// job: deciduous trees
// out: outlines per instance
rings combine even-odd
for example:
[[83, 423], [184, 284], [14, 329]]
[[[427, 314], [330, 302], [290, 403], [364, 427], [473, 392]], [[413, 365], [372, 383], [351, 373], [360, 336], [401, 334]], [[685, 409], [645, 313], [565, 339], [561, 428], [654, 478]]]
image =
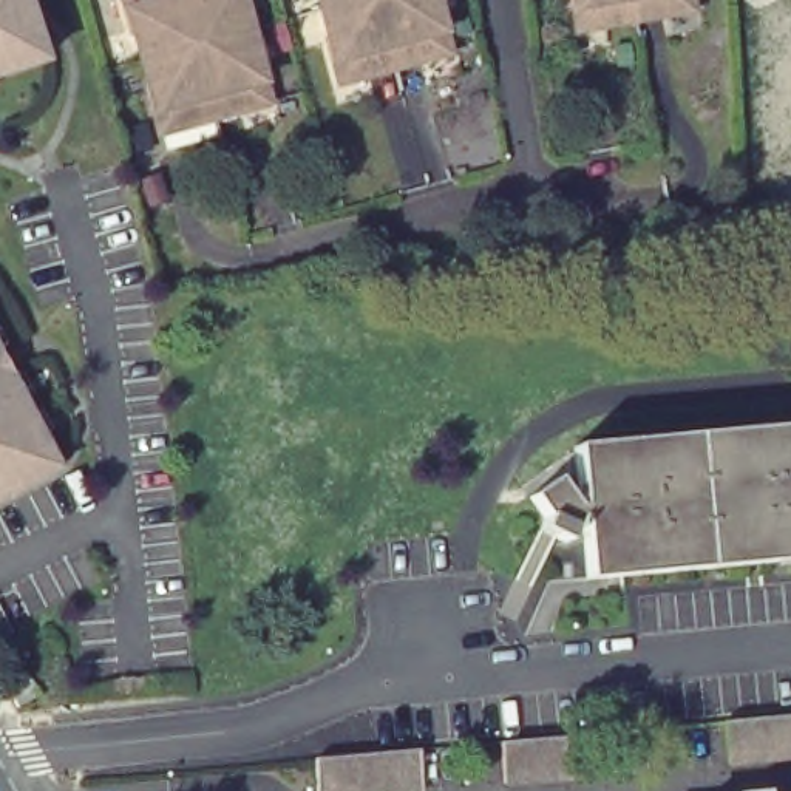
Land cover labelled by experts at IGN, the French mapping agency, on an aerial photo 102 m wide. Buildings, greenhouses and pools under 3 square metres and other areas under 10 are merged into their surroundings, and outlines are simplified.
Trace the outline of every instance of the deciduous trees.
[[145, 284], [142, 294], [148, 300], [167, 300], [182, 281], [182, 266], [173, 263], [158, 272]]
[[173, 170], [179, 195], [182, 204], [195, 210], [198, 219], [207, 226], [210, 219], [247, 222], [244, 182], [250, 179], [250, 167], [244, 154], [219, 148], [219, 142], [210, 136], [195, 145], [176, 148], [167, 158], [167, 164]]
[[575, 785], [609, 782], [633, 785], [637, 791], [655, 791], [667, 782], [667, 769], [695, 766], [695, 745], [686, 745], [670, 720], [658, 717], [658, 708], [643, 708], [624, 689], [596, 692], [559, 711], [562, 735], [562, 776]]
[[281, 213], [290, 213], [297, 219], [312, 207], [331, 204], [337, 179], [343, 173], [340, 151], [321, 136], [318, 124], [306, 121], [294, 127], [284, 145], [269, 145], [266, 195]]
[[704, 578], [745, 581], [751, 569], [637, 578], [640, 587], [692, 584]]
[[488, 760], [476, 742], [460, 742], [442, 754], [439, 772], [445, 772], [457, 785], [476, 785], [488, 776]]
[[80, 621], [65, 618], [62, 606], [56, 603], [37, 615], [37, 621], [40, 661], [46, 664], [62, 655], [68, 670], [83, 670]]
[[618, 596], [606, 596], [599, 590], [593, 596], [569, 593], [559, 606], [553, 630], [559, 637], [575, 637], [606, 627], [624, 627], [630, 621], [627, 603]]
[[337, 244], [331, 256], [340, 266], [340, 272], [352, 278], [343, 287], [343, 294], [358, 303], [362, 321], [371, 337], [417, 346], [463, 343], [473, 337], [501, 337], [507, 343], [559, 337], [575, 340], [575, 346], [593, 349], [618, 362], [618, 368], [624, 368], [637, 383], [732, 374], [776, 374], [791, 383], [791, 201], [754, 210], [742, 195], [748, 188], [745, 176], [726, 167], [720, 154], [708, 154], [704, 192], [698, 192], [689, 207], [649, 207], [630, 235], [624, 229], [612, 229], [603, 238], [603, 229], [587, 207], [575, 207], [556, 192], [535, 192], [528, 198], [528, 213], [513, 213], [513, 207], [501, 213], [476, 207], [460, 219], [454, 238], [439, 232], [429, 247], [411, 241], [386, 247], [358, 226], [352, 226], [349, 235], [343, 235]]
[[111, 569], [99, 550], [90, 550], [83, 559], [93, 575], [90, 593], [99, 603], [105, 603], [111, 599]]
[[544, 161], [550, 167], [578, 167], [590, 154], [618, 158], [646, 164], [658, 158], [664, 151], [661, 136], [649, 87], [646, 49], [633, 53], [630, 68], [609, 62], [599, 49], [590, 49], [587, 37], [575, 31], [569, 0], [519, 0], [525, 25], [525, 62], [535, 77], [538, 142]]
[[300, 652], [306, 643], [315, 643], [318, 630], [328, 624], [331, 590], [312, 575], [312, 569], [284, 569], [247, 590], [247, 603], [235, 618], [235, 630], [244, 640], [269, 643], [281, 652]]
[[436, 433], [436, 439], [429, 439], [423, 457], [414, 460], [411, 473], [420, 482], [451, 488], [467, 479], [467, 470], [460, 467], [457, 436], [451, 436], [451, 429], [445, 426]]
[[188, 473], [188, 460], [176, 448], [176, 436], [167, 433], [161, 470], [170, 476], [173, 485]]
[[232, 328], [238, 324], [238, 312], [226, 309], [219, 300], [195, 300], [195, 328], [158, 334], [151, 337], [151, 355], [161, 365], [173, 365], [179, 377], [185, 377], [192, 368], [201, 368], [207, 362], [207, 355], [216, 358], [226, 340], [232, 337]]

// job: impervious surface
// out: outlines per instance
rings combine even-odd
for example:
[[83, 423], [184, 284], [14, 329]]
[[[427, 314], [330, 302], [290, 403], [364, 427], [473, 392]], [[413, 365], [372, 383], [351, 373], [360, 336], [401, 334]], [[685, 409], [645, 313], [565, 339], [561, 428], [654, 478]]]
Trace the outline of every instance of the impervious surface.
[[[501, 578], [482, 569], [482, 531], [494, 504], [535, 507], [535, 494], [547, 494], [559, 473], [572, 476], [581, 491], [587, 491], [587, 479], [578, 460], [565, 460], [553, 473], [535, 482], [522, 482], [519, 488], [510, 488], [510, 479], [544, 442], [556, 439], [569, 426], [593, 414], [606, 420], [612, 411], [621, 408], [791, 400], [791, 383], [776, 374], [732, 374], [637, 383], [578, 392], [541, 411], [525, 426], [519, 426], [494, 454], [488, 473], [467, 497], [457, 528], [451, 535], [371, 544], [368, 553], [374, 556], [374, 569], [358, 578], [355, 637], [337, 658], [300, 677], [263, 686], [256, 692], [204, 698], [130, 708], [71, 711], [56, 720], [46, 711], [22, 714], [19, 708], [12, 698], [0, 701], [0, 791], [83, 791], [87, 772], [139, 766], [167, 769], [164, 782], [136, 782], [124, 791], [290, 791], [278, 779], [272, 779], [219, 779], [176, 785], [176, 769], [188, 769], [192, 763], [210, 760], [275, 763], [315, 760], [334, 754], [420, 748], [423, 766], [429, 766], [426, 791], [637, 791], [633, 785], [609, 782], [575, 785], [562, 776], [559, 782], [544, 785], [507, 785], [501, 779], [501, 735], [562, 735], [559, 711], [596, 692], [624, 689], [643, 708], [658, 708], [658, 717], [670, 720], [686, 745], [695, 745], [695, 766], [667, 769], [667, 782], [655, 791], [791, 791], [791, 760], [735, 769], [726, 760], [723, 735], [714, 732], [714, 723], [791, 714], [791, 565], [751, 569], [745, 581], [704, 578], [692, 584], [640, 587], [637, 578], [599, 590], [606, 596], [618, 596], [627, 603], [630, 621], [624, 627], [606, 627], [575, 637], [559, 637], [553, 630], [525, 630], [544, 596], [547, 581], [562, 575], [562, 565], [572, 565], [575, 575], [587, 572], [584, 528], [572, 531], [572, 544], [559, 544], [550, 553], [535, 587], [519, 572], [516, 578]], [[488, 760], [488, 776], [476, 785], [457, 785], [445, 772], [439, 772], [442, 754], [460, 742], [476, 742]]]
[[667, 65], [667, 53], [680, 46], [680, 34], [692, 34], [701, 25], [701, 19], [640, 25], [646, 49], [649, 87], [661, 136], [677, 139], [683, 148], [680, 182], [667, 195], [658, 188], [621, 185], [615, 179], [618, 158], [590, 154], [578, 167], [550, 167], [544, 161], [538, 142], [535, 77], [525, 62], [525, 25], [519, 0], [482, 0], [485, 40], [497, 71], [497, 80], [485, 87], [485, 99], [497, 102], [507, 145], [510, 170], [497, 182], [457, 188], [457, 176], [476, 170], [476, 164], [454, 164], [445, 158], [439, 161], [423, 130], [423, 77], [448, 77], [457, 65], [451, 59], [429, 59], [420, 71], [396, 71], [377, 77], [374, 83], [340, 83], [318, 0], [294, 0], [306, 43], [321, 53], [324, 74], [337, 105], [362, 93], [377, 96], [402, 185], [399, 210], [377, 207], [365, 210], [358, 219], [337, 216], [318, 229], [300, 229], [297, 219], [290, 213], [281, 213], [266, 195], [269, 145], [250, 127], [272, 121], [278, 111], [278, 102], [275, 99], [266, 108], [241, 111], [238, 124], [222, 124], [219, 130], [213, 124], [198, 124], [182, 133], [170, 133], [151, 151], [151, 167], [167, 164], [167, 158], [176, 148], [195, 145], [210, 136], [219, 142], [219, 148], [244, 154], [250, 167], [250, 179], [244, 182], [247, 222], [250, 232], [272, 229], [272, 241], [263, 247], [238, 247], [219, 241], [207, 226], [198, 219], [195, 210], [182, 204], [179, 195], [170, 198], [167, 210], [176, 216], [182, 241], [201, 256], [204, 266], [241, 269], [324, 241], [337, 244], [343, 235], [349, 235], [352, 226], [358, 226], [386, 247], [411, 241], [429, 247], [439, 232], [454, 238], [460, 219], [476, 207], [501, 213], [513, 207], [513, 213], [528, 213], [528, 198], [535, 192], [556, 192], [575, 207], [587, 207], [603, 229], [603, 238], [612, 229], [624, 229], [630, 235], [649, 207], [689, 207], [698, 192], [704, 192], [708, 154], [695, 127], [677, 105]]
[[136, 53], [136, 37], [130, 31], [124, 0], [99, 0], [114, 59], [127, 59]]
[[[93, 386], [74, 386], [77, 414], [83, 414], [80, 445], [74, 454], [65, 457], [65, 463], [56, 473], [56, 482], [28, 488], [15, 504], [0, 507], [0, 612], [28, 615], [37, 621], [37, 615], [56, 603], [62, 606], [65, 618], [80, 621], [83, 670], [90, 683], [167, 677], [179, 674], [192, 658], [185, 615], [192, 603], [182, 593], [185, 572], [179, 559], [179, 531], [173, 522], [173, 485], [170, 476], [161, 470], [167, 433], [164, 414], [158, 408], [158, 399], [164, 392], [158, 386], [161, 365], [151, 355], [151, 337], [158, 334], [148, 300], [142, 294], [145, 284], [145, 269], [136, 250], [139, 232], [121, 232], [121, 226], [133, 222], [133, 213], [127, 210], [127, 198], [121, 188], [124, 182], [117, 182], [108, 170], [83, 176], [74, 164], [56, 161], [56, 151], [68, 133], [77, 102], [74, 46], [71, 40], [65, 40], [65, 80], [59, 90], [56, 105], [59, 117], [49, 142], [37, 154], [15, 154], [0, 151], [0, 167], [15, 170], [31, 182], [40, 182], [37, 195], [12, 201], [12, 216], [25, 241], [25, 260], [37, 297], [46, 306], [71, 303], [77, 312], [83, 365], [93, 377]], [[99, 603], [90, 593], [93, 575], [83, 559], [90, 550], [99, 550], [111, 569], [111, 599], [105, 603]]]

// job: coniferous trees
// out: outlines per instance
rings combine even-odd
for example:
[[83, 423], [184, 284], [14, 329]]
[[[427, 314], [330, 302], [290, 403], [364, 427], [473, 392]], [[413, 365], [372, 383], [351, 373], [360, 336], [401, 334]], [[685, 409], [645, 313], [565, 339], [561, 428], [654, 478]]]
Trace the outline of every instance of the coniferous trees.
[[37, 621], [28, 615], [0, 612], [0, 701], [12, 698], [31, 683], [40, 670], [40, 661]]

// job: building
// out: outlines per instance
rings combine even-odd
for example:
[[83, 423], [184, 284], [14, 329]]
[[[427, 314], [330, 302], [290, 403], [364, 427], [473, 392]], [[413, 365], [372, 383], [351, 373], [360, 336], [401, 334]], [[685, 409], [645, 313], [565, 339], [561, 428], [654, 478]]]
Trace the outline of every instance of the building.
[[501, 735], [501, 779], [507, 785], [544, 785], [559, 782], [562, 776], [562, 735]]
[[158, 179], [145, 176], [139, 179], [139, 201], [145, 198], [158, 213], [167, 210], [170, 198], [164, 195]]
[[290, 114], [294, 108], [297, 108], [297, 102], [278, 102], [278, 111], [281, 111], [281, 114]]
[[306, 791], [426, 791], [429, 766], [423, 766], [420, 748], [334, 754], [315, 760], [315, 785], [306, 785]]
[[714, 732], [723, 735], [726, 760], [735, 769], [791, 760], [791, 714], [714, 723]]
[[535, 507], [541, 513], [541, 528], [531, 547], [525, 550], [519, 572], [535, 587], [550, 553], [559, 544], [572, 544], [572, 531], [584, 528], [587, 572], [575, 575], [572, 565], [562, 565], [562, 575], [547, 581], [544, 596], [525, 630], [553, 630], [559, 606], [569, 593], [593, 596], [599, 590], [637, 578], [751, 569], [791, 565], [791, 420], [590, 439], [578, 445], [578, 460], [587, 479], [587, 491], [581, 491], [572, 476], [559, 473], [547, 494], [535, 494]]
[[451, 59], [457, 65], [454, 37], [473, 40], [467, 0], [318, 0], [340, 83], [374, 83], [377, 77], [396, 71], [420, 71], [429, 59]]
[[170, 133], [182, 133], [198, 124], [213, 124], [219, 130], [222, 124], [238, 124], [241, 111], [266, 108], [275, 99], [272, 71], [287, 65], [290, 31], [287, 25], [275, 28], [269, 0], [124, 0], [130, 31], [136, 37], [136, 53], [145, 68], [148, 114], [136, 114], [124, 124], [133, 145], [130, 158], [151, 151]]
[[609, 62], [630, 68], [633, 53], [630, 46], [618, 46]]
[[640, 25], [701, 19], [698, 0], [569, 0], [575, 31], [587, 37], [590, 49], [599, 49], [609, 40], [612, 28]]
[[31, 704], [37, 692], [37, 686], [31, 683], [12, 698], [19, 708]]
[[37, 411], [12, 355], [0, 340], [0, 507], [15, 504], [28, 488], [56, 482], [56, 473], [65, 463], [65, 457], [43, 414]]
[[0, 0], [0, 77], [28, 71], [49, 65], [53, 40], [46, 31], [40, 0]]

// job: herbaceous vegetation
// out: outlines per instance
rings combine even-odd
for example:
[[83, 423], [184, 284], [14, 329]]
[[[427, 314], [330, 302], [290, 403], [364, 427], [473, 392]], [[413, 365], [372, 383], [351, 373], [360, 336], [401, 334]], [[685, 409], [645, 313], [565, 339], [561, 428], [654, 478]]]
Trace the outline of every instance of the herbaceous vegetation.
[[457, 65], [448, 77], [423, 77], [423, 130], [439, 161], [445, 158], [454, 164], [476, 164], [494, 161], [497, 151], [507, 145], [497, 102], [485, 99], [485, 87], [482, 65], [476, 65], [473, 40], [454, 37]]
[[31, 704], [19, 708], [22, 714], [46, 711], [53, 704], [83, 701], [68, 686], [68, 670], [62, 655], [46, 664], [40, 661], [40, 670], [31, 683], [37, 686], [37, 692]]
[[263, 247], [272, 241], [272, 229], [250, 232], [247, 222], [210, 219], [207, 226], [219, 241], [238, 247]]
[[565, 460], [578, 460], [578, 445], [590, 439], [791, 420], [791, 400], [621, 408], [612, 411], [606, 420], [593, 414], [569, 426], [556, 439], [544, 442], [510, 479], [510, 488], [519, 488], [522, 482], [535, 482], [553, 473]]
[[278, 111], [272, 121], [250, 127], [269, 145], [284, 145], [294, 127], [306, 121], [309, 108], [297, 102], [297, 108], [294, 108], [290, 114], [281, 114], [281, 111]]
[[176, 216], [167, 210], [158, 213], [158, 229], [173, 263], [182, 266], [204, 266], [201, 256], [182, 241]]
[[278, 779], [290, 791], [306, 791], [306, 785], [315, 785], [315, 760], [275, 763], [272, 779]]
[[287, 65], [272, 71], [275, 99], [278, 102], [297, 102], [290, 83], [300, 83], [300, 71]]
[[19, 145], [15, 154], [37, 154], [49, 142], [59, 117], [56, 105], [37, 124], [19, 130], [9, 139], [12, 145]]
[[698, 0], [701, 19], [701, 25], [692, 34], [680, 34], [680, 46], [667, 53], [667, 65], [677, 105], [695, 127], [708, 154], [720, 154], [726, 167], [745, 176], [748, 188], [742, 195], [754, 210], [791, 201], [791, 145], [763, 151], [754, 99], [760, 93], [760, 80], [772, 77], [779, 59], [785, 56], [785, 46], [791, 43], [791, 0], [735, 0], [745, 148], [731, 151], [725, 134], [723, 102], [723, 80], [729, 77], [729, 71], [723, 49], [729, 46], [729, 40], [721, 31], [721, 0]]
[[46, 306], [37, 297], [25, 260], [25, 241], [12, 216], [12, 201], [37, 195], [40, 182], [31, 182], [15, 170], [0, 167], [0, 263], [6, 266], [19, 290], [28, 297], [28, 306], [37, 321], [34, 343], [25, 343], [0, 303], [0, 340], [12, 355], [37, 411], [43, 414], [65, 457], [74, 454], [80, 445], [68, 433], [68, 417], [53, 405], [49, 380], [34, 368], [34, 349], [59, 349], [68, 368], [83, 365], [77, 312], [71, 303]]
[[531, 547], [541, 528], [541, 513], [535, 507], [494, 504], [482, 531], [482, 569], [501, 578], [516, 578], [519, 572], [525, 550]]
[[321, 136], [340, 151], [343, 173], [352, 176], [349, 192], [355, 198], [371, 198], [380, 188], [402, 185], [377, 96], [362, 93], [337, 105], [324, 74], [321, 53], [306, 43], [304, 56], [321, 114], [318, 124]]
[[615, 179], [621, 185], [658, 188], [667, 195], [680, 182], [683, 148], [677, 139], [661, 136], [664, 151], [658, 158], [646, 164], [618, 158]]
[[34, 77], [28, 71], [0, 77], [0, 121], [31, 105]]
[[612, 28], [609, 40], [599, 49], [609, 62], [618, 46], [630, 46], [633, 53], [646, 49], [640, 25]]
[[130, 158], [124, 164], [108, 121], [96, 100], [93, 80], [97, 70], [74, 0], [40, 0], [46, 31], [53, 40], [49, 65], [56, 68], [59, 90], [65, 80], [65, 40], [71, 40], [74, 46], [77, 102], [68, 133], [56, 151], [56, 161], [74, 164], [83, 176], [108, 170], [117, 182], [124, 182], [121, 188], [127, 198], [127, 210], [133, 213], [133, 222], [121, 226], [121, 232], [139, 232], [136, 250], [145, 269], [145, 284], [158, 272], [151, 244], [142, 235], [139, 201], [139, 179], [145, 176], [158, 179], [164, 195], [170, 198], [179, 195], [173, 170], [167, 164], [151, 167], [151, 151]]
[[145, 68], [136, 53], [127, 59], [114, 59], [99, 0], [96, 0], [96, 34], [108, 68], [108, 80], [117, 96], [117, 114], [124, 124], [136, 114], [148, 114]]
[[[164, 414], [167, 433], [176, 436], [176, 448], [188, 460], [188, 473], [173, 485], [173, 522], [179, 531], [179, 559], [185, 572], [182, 593], [192, 603], [185, 615], [192, 658], [204, 670], [204, 698], [256, 692], [263, 686], [300, 677], [337, 658], [355, 637], [358, 578], [374, 569], [374, 556], [368, 553], [371, 544], [451, 535], [457, 528], [467, 497], [488, 473], [494, 454], [519, 426], [525, 426], [541, 411], [578, 392], [637, 383], [624, 368], [618, 368], [618, 362], [593, 349], [575, 346], [575, 340], [559, 337], [507, 343], [501, 337], [473, 337], [463, 343], [417, 346], [371, 337], [362, 321], [358, 303], [343, 294], [343, 287], [352, 278], [340, 272], [340, 266], [331, 256], [312, 256], [306, 263], [281, 266], [272, 272], [182, 281], [167, 300], [148, 300], [158, 334], [195, 328], [195, 300], [219, 300], [226, 309], [238, 312], [238, 324], [232, 328], [232, 337], [226, 340], [216, 358], [207, 355], [207, 362], [201, 368], [192, 368], [185, 377], [179, 377], [173, 365], [161, 365], [158, 386], [164, 392], [158, 399], [158, 408]], [[451, 488], [420, 482], [411, 473], [414, 460], [423, 457], [429, 439], [436, 439], [436, 433], [445, 426], [451, 429], [451, 436], [457, 436], [460, 467], [467, 470], [467, 479]], [[306, 643], [300, 652], [281, 652], [269, 643], [244, 640], [235, 630], [235, 618], [247, 603], [247, 590], [284, 569], [312, 569], [312, 575], [331, 590], [328, 624], [318, 630], [315, 643]]]

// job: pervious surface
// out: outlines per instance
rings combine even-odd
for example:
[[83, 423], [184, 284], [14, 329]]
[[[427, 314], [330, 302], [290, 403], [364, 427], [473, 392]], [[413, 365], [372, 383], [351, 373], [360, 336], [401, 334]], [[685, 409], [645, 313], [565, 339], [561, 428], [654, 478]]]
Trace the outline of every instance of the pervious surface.
[[785, 56], [779, 59], [772, 77], [760, 80], [760, 93], [754, 99], [763, 151], [791, 145], [791, 43], [785, 46]]
[[46, 711], [56, 720], [71, 711], [130, 708], [127, 701], [111, 698], [83, 701], [53, 704]]

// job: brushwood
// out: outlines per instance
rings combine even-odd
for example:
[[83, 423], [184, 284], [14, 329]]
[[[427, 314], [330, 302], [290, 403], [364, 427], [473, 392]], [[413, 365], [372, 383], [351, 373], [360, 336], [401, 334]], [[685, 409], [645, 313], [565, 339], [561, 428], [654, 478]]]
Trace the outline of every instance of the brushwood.
[[497, 182], [510, 170], [507, 145], [497, 151], [494, 161], [476, 164], [476, 170], [457, 176], [457, 188]]
[[19, 130], [37, 124], [56, 105], [59, 90], [56, 68], [49, 65], [28, 71], [34, 77], [31, 105], [0, 121], [0, 151], [15, 154], [19, 145], [12, 145], [9, 139]]
[[108, 80], [108, 68], [96, 34], [96, 0], [74, 0], [97, 70], [93, 80], [96, 100], [108, 121], [124, 164], [130, 158], [133, 145], [124, 124], [117, 114], [117, 96]]
[[77, 414], [74, 386], [93, 386], [93, 377], [83, 365], [68, 368], [59, 349], [34, 349], [34, 368], [49, 380], [53, 405], [68, 417], [68, 433], [80, 445], [83, 414]]
[[173, 263], [158, 229], [158, 213], [145, 198], [139, 201], [142, 235], [151, 244], [158, 272]]
[[164, 782], [167, 769], [139, 766], [87, 772], [83, 791], [124, 791], [136, 782]]
[[287, 65], [300, 71], [300, 83], [290, 83], [297, 102], [309, 108], [306, 121], [318, 124], [321, 114], [304, 56], [306, 43], [294, 0], [269, 0], [275, 28], [287, 25], [290, 31]]
[[6, 266], [0, 263], [0, 303], [25, 343], [34, 343], [37, 321], [28, 306], [28, 297], [19, 290]]
[[281, 266], [306, 263], [312, 256], [331, 256], [337, 244], [324, 241], [241, 269], [204, 266], [182, 266], [182, 281], [272, 272]]
[[485, 40], [482, 0], [467, 0], [473, 40], [476, 65], [482, 65], [485, 87], [497, 80], [497, 71]]
[[90, 683], [83, 670], [68, 670], [68, 686], [83, 701], [111, 698], [127, 701], [130, 708], [204, 698], [204, 670], [192, 658], [179, 674], [167, 677]]
[[176, 785], [219, 779], [272, 779], [275, 763], [210, 760], [192, 763], [188, 769], [176, 769]]
[[312, 207], [297, 219], [300, 229], [318, 229], [337, 216], [358, 219], [365, 210], [377, 207], [399, 210], [402, 185], [380, 188], [371, 198], [355, 198], [349, 192], [352, 176], [343, 173], [337, 179], [331, 204]]
[[735, 0], [721, 0], [721, 31], [729, 40], [729, 46], [723, 49], [729, 71], [729, 77], [723, 80], [723, 102], [725, 134], [731, 151], [745, 148]]

